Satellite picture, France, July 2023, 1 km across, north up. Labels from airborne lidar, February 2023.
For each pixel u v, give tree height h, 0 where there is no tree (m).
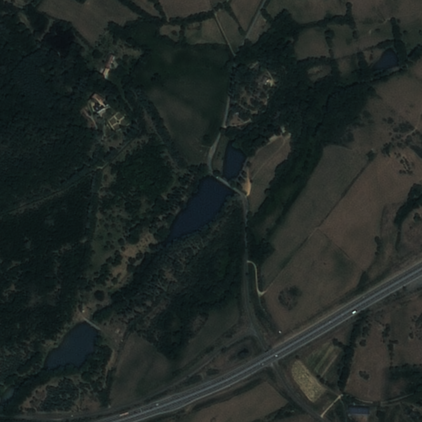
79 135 22
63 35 15
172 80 0
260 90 13
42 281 12
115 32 14
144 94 17
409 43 0
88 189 8
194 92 0
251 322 0
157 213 18
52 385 9
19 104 17
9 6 15
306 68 17
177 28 0
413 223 0
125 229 5
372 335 0
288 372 0
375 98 0
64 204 16
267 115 16
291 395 0
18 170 20
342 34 0
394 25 12
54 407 13
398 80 0
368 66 19
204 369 0
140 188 12
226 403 0
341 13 0
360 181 0
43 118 19
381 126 0
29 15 13
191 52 0
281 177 10
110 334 0
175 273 9
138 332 9
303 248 0
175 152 26
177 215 0
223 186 0
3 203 18
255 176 0
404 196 0
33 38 19
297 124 13
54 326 10
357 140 0
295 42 7
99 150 12
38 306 8
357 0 0
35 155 15
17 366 11
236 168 0
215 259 16
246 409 0
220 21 0
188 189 8
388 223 0
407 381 0
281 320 0
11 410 18
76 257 12
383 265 0
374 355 0
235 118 0
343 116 11
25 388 16
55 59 23
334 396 0
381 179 0
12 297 12
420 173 0
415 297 0
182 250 24
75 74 29
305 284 0
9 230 7
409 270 0
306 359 0
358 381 0
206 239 19
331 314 0
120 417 0
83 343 0
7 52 20
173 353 18
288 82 9
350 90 19
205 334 0
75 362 0
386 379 0
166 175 14
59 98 20
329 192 0
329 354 0
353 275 0
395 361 0
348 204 0
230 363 0
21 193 20
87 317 0
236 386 0
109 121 0
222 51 0
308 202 0
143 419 0
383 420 0
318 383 0
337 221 0
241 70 20
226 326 0
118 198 8
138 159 10
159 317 8
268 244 9
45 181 15
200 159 0
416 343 0
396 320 0
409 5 0
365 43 0
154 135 9
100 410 0
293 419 0
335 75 16
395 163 0
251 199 0
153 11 0
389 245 0
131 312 24
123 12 0
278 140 0
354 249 0
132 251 0
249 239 16
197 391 0
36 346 8
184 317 19
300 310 0
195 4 0
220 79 0
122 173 10
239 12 0
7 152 10
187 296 14
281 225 0
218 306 19
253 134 19
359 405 0
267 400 0
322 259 0
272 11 0
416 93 0
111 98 22
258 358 0
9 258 12
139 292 18
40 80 25
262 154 0
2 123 18
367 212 0
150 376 0
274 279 0
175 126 0
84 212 9
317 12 0
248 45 15
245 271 0
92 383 12
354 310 0
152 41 0
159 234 14
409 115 0
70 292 14
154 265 24
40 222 8
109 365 0
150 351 0
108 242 8
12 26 11
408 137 6
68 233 13
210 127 0
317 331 0
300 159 9
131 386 0
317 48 0
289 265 0
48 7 0
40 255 7
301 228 0
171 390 0
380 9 0
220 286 18
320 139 11
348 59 0
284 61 16
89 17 0
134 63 8
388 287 0
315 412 0
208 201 0
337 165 0
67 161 19
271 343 0
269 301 0
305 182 0
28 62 22
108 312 22
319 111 10
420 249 0
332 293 0
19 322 9
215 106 0
